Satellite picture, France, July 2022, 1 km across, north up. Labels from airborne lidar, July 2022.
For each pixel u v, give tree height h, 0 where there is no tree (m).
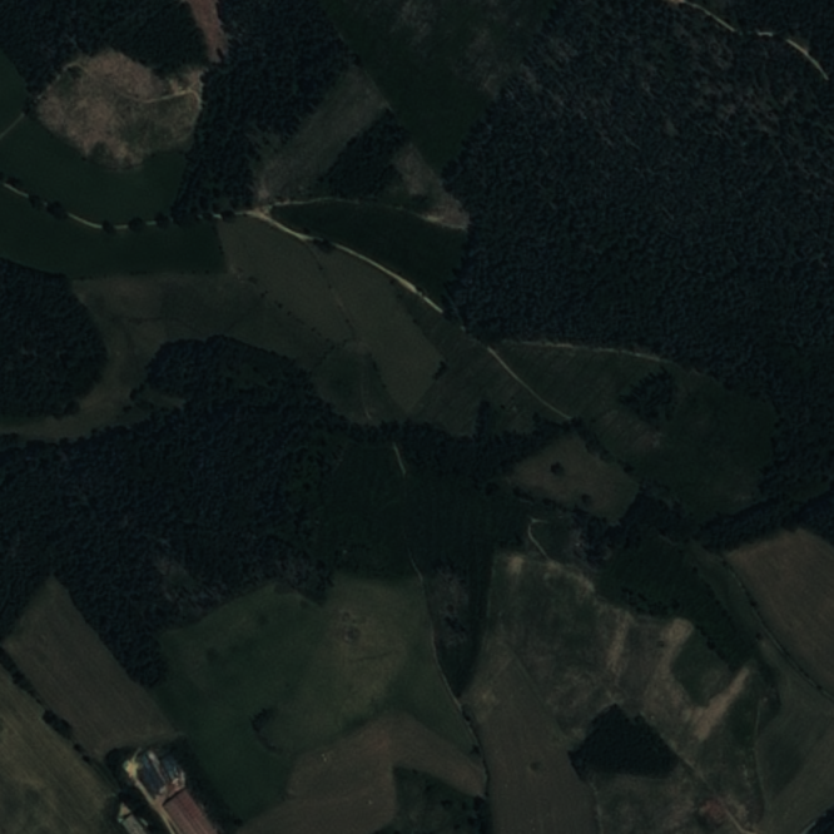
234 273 0
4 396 21
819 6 15
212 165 13
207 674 0
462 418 0
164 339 0
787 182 24
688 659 0
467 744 0
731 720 0
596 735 11
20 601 16
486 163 21
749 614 0
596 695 0
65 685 0
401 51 0
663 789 0
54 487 20
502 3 0
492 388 0
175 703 0
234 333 0
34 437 0
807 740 0
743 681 0
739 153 21
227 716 0
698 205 23
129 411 11
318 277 0
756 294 21
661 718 0
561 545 0
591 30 23
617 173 24
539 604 0
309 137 0
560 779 0
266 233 0
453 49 0
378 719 0
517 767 0
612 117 22
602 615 0
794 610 0
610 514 0
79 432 0
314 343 0
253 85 24
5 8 21
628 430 0
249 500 32
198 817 0
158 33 17
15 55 18
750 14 15
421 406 0
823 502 9
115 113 0
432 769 0
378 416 0
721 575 0
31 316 16
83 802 0
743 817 0
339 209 0
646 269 20
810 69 16
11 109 0
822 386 26
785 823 0
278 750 0
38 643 0
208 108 7
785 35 16
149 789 0
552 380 0
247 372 0
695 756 0
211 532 21
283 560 18
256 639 0
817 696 0
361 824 0
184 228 21
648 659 0
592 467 0
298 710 0
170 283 0
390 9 0
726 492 0
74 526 25
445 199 0
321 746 0
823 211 22
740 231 24
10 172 0
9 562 17
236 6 32
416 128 0
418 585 0
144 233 17
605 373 0
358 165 9
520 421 0
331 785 0
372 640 0
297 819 0
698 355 27
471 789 0
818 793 0
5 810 0
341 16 0
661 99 24
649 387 21
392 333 0
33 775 0
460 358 0
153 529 29
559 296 21
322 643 0
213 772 0
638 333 22
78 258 0
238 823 10
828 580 0
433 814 0
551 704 0
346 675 0
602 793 0
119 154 0
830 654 0
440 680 0
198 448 19
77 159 0
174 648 0
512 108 24
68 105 0
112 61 0
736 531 18
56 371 20
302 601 0
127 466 27
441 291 0
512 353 0
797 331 24
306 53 22
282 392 15
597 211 22
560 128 17
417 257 0
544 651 0
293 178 0
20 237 0
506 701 0
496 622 0
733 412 0
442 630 0
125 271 0
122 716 0
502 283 27
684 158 23
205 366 31
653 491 25
